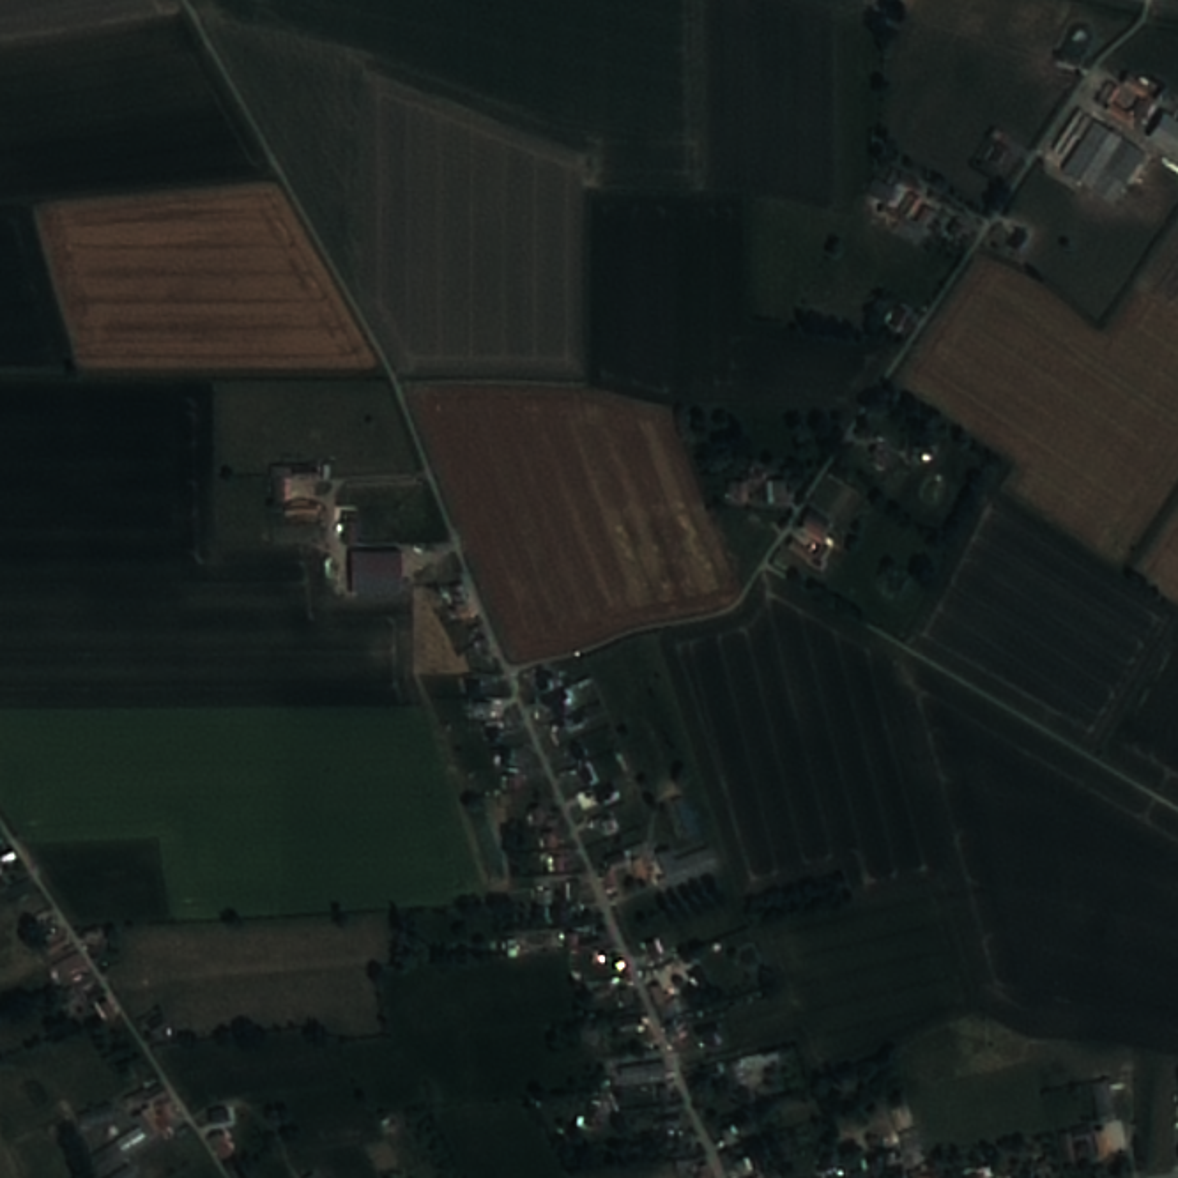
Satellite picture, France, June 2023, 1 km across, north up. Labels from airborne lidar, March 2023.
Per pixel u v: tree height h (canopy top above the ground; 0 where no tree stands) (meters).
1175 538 0
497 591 0
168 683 0
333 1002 0
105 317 0
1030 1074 0
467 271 0
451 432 0
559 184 0
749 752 0
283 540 0
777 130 0
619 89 0
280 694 0
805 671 0
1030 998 0
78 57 0
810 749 0
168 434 0
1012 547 0
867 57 0
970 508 8
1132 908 0
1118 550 0
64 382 0
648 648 0
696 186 0
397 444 0
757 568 0
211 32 0
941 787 0
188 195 0
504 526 0
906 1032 0
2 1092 0
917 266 0
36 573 0
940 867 0
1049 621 0
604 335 0
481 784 0
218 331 0
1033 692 0
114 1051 7
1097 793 0
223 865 0
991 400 0
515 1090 0
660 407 0
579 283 0
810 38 0
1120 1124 0
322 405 0
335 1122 0
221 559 0
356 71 0
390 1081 0
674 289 0
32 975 0
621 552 0
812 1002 0
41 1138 0
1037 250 0
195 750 0
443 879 0
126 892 0
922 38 0
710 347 0
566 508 0
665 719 0
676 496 0
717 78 0
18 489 0
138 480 0
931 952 0
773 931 0
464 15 0
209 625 0
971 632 0
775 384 0
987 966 0
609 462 0
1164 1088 0
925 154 0
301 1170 0
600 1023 10
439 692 0
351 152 0
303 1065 0
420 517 0
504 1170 0
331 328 0
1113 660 0
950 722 0
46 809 0
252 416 0
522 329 0
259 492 0
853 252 0
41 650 0
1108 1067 0
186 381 0
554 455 0
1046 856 0
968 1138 0
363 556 0
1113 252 0
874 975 0
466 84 0
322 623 0
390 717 0
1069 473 0
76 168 0
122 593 0
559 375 0
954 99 0
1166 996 0
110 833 0
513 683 0
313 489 0
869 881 0
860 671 0
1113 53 0
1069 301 0
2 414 0
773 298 0
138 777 0
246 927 0
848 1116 13
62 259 0
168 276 0
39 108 0
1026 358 0
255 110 0
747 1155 12
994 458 9
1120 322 0
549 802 0
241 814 0
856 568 0
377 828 0
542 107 0
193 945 0
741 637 0
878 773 0
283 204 0
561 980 0
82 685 0
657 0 0
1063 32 0
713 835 0
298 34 0
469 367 0
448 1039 0
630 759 0
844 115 0
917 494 0
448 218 0
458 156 0
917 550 0
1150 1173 0
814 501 0
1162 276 0
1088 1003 0
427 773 0
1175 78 0
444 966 18
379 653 0
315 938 0
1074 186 0
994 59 0
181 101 0
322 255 0
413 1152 0
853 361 0
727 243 0
